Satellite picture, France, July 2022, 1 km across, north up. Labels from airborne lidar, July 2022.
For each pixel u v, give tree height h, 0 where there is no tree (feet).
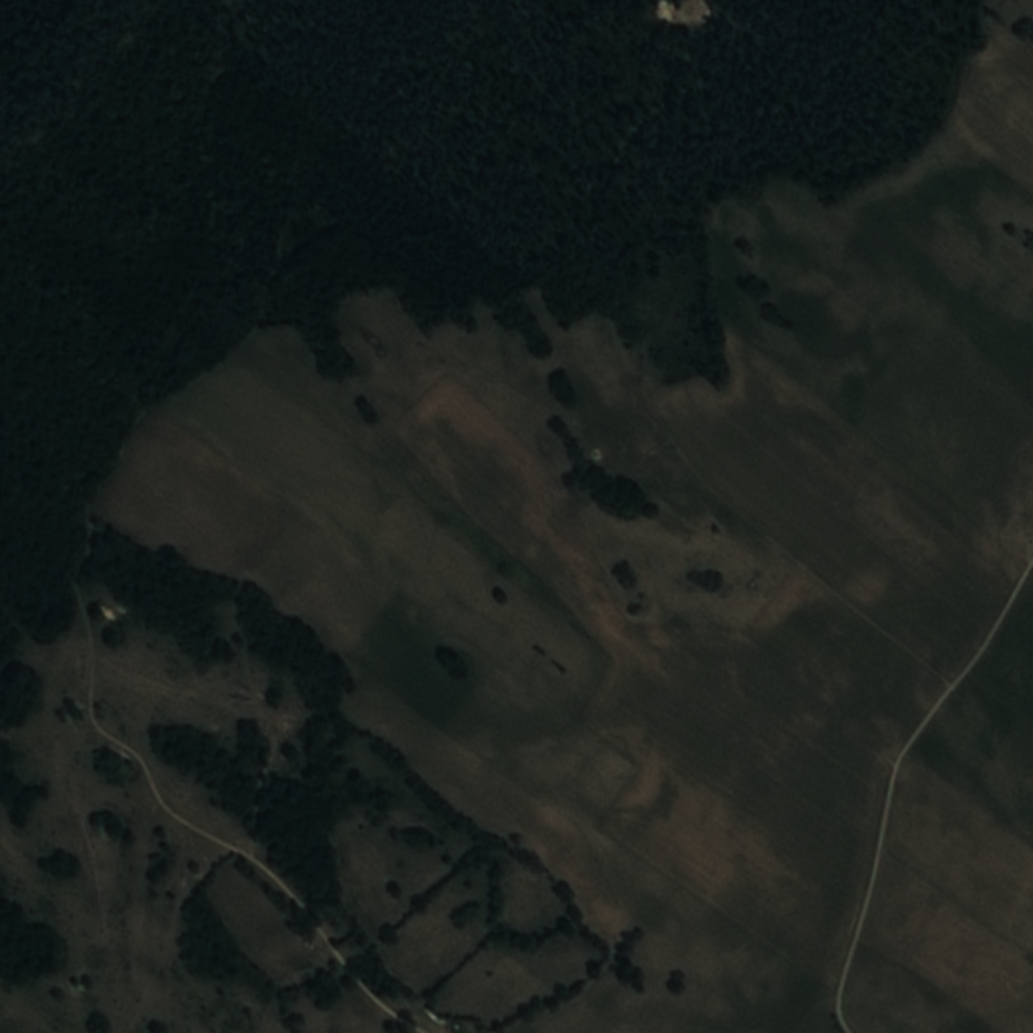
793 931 0
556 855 0
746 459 0
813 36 46
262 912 0
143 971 0
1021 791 0
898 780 0
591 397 0
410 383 0
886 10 70
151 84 42
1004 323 0
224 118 40
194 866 25
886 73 92
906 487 0
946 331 0
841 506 0
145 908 0
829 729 0
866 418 0
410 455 0
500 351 0
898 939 0
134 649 0
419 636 0
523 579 0
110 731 0
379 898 0
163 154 53
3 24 77
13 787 66
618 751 0
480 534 0
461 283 43
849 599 0
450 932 0
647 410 0
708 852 0
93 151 34
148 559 42
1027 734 0
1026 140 0
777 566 0
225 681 0
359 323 0
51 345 52
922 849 0
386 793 48
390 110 67
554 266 67
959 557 0
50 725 0
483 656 0
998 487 0
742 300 0
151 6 46
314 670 61
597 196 51
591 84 63
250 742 33
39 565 45
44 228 41
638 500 42
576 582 0
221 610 0
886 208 0
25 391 67
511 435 0
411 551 0
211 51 56
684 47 39
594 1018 0
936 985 0
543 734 0
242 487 0
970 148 0
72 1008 0
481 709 0
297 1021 30
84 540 61
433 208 47
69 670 0
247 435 0
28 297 80
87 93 58
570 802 0
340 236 32
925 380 0
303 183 48
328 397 0
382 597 0
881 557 0
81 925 0
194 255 38
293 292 41
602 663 0
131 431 39
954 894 0
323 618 0
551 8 46
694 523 0
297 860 32
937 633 0
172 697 0
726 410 0
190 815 0
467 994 0
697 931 0
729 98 46
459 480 0
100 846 0
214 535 0
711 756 0
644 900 0
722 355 34
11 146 44
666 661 0
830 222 0
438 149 81
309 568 0
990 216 0
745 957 0
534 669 0
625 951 31
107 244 32
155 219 57
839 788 0
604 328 0
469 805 0
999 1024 0
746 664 0
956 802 0
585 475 39
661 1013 0
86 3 77
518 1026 0
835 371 0
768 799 0
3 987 0
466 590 0
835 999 0
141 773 0
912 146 55
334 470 0
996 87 0
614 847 0
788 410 0
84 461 54
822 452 0
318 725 43
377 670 0
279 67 74
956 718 0
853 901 0
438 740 0
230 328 48
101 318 61
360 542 0
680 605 0
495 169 57
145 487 0
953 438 0
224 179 21
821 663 0
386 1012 0
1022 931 0
